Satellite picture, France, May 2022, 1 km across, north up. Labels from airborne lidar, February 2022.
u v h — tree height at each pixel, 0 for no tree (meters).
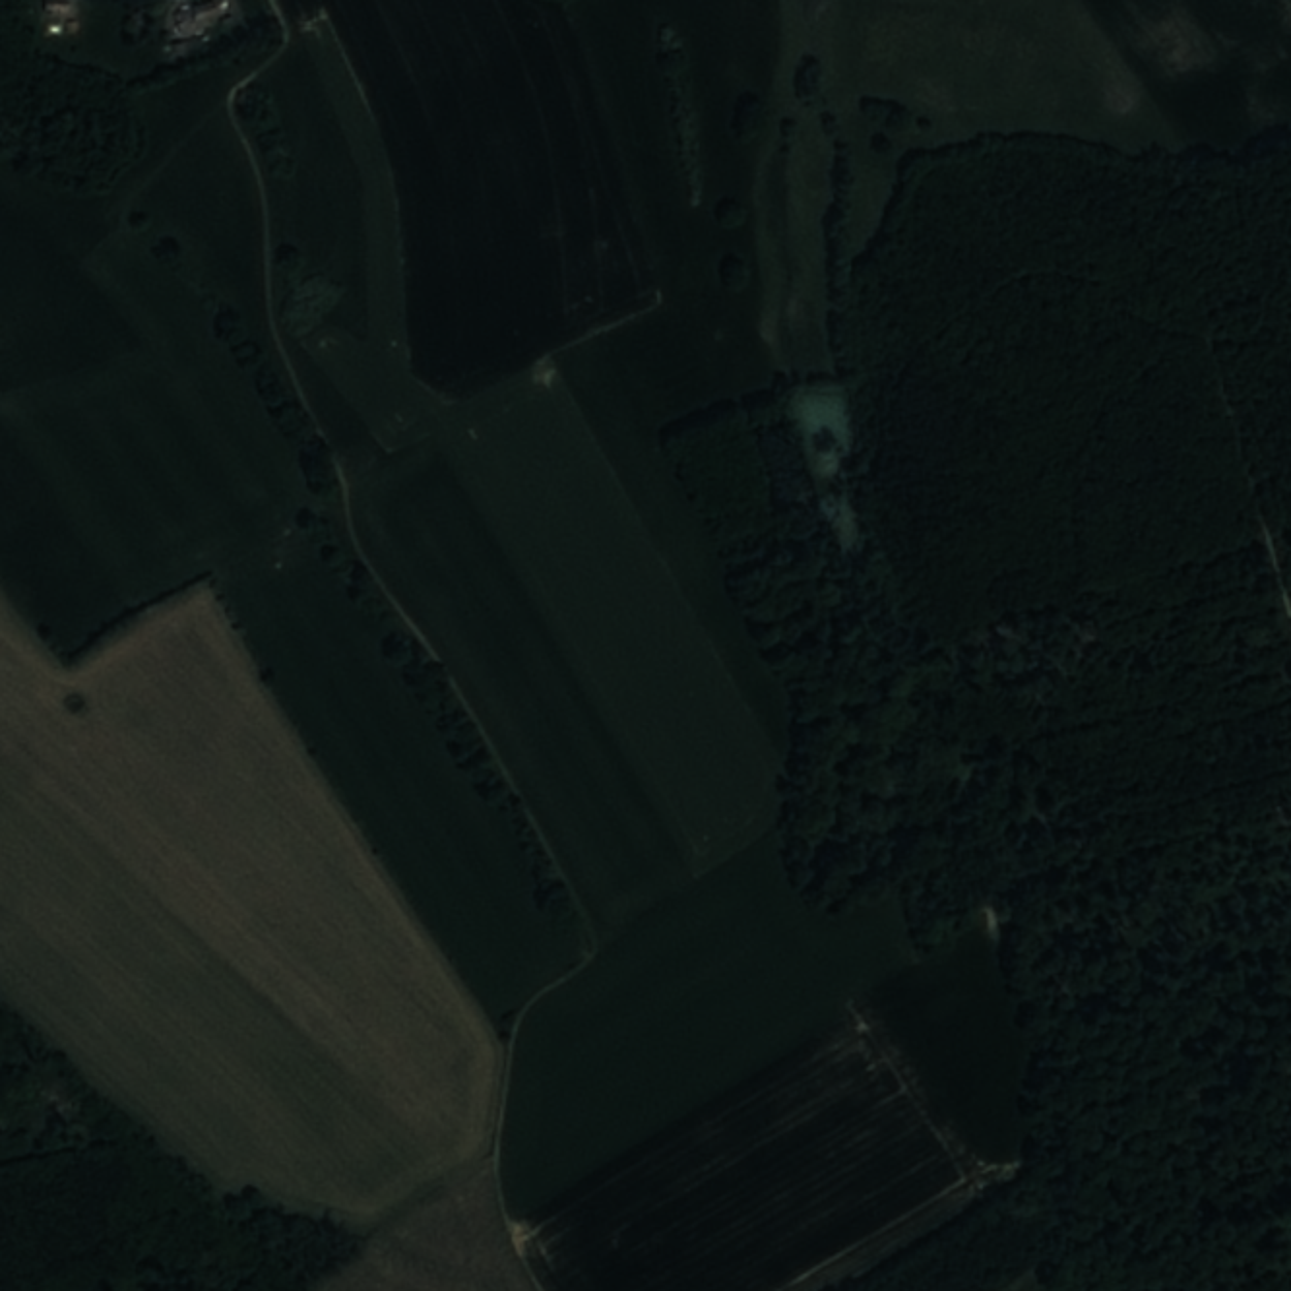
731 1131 0
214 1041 0
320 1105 0
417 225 0
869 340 14
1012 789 18
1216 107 0
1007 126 0
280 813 0
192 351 0
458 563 0
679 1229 0
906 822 18
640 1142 0
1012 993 13
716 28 0
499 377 0
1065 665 28
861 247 0
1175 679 12
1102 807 17
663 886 0
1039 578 14
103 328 0
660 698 0
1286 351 12
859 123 0
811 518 17
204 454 0
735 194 0
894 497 16
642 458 0
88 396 0
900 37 0
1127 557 18
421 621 0
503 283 0
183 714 0
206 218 0
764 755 0
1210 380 15
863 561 17
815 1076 0
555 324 0
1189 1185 35
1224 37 0
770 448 20
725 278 16
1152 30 0
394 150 0
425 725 0
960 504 13
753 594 25
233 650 0
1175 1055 34
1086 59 0
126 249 0
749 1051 0
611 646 0
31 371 0
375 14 0
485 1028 0
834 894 25
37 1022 0
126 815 0
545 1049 0
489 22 0
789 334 0
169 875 0
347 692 0
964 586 12
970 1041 0
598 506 0
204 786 0
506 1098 0
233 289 0
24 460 0
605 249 0
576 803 0
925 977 0
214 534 0
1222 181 20
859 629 34
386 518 0
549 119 0
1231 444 12
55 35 0
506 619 0
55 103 11
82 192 15
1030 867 35
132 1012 0
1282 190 24
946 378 12
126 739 0
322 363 0
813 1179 0
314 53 0
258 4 0
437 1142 0
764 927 0
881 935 0
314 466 20
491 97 0
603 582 0
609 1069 0
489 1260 0
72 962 0
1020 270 9
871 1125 0
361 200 0
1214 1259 40
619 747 0
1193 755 9
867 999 0
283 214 0
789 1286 0
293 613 0
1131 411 17
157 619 0
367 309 0
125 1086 0
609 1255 0
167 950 0
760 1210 0
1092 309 14
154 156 0
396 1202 0
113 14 0
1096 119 0
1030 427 12
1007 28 0
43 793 0
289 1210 0
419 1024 0
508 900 0
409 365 0
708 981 0
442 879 0
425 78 0
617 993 0
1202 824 10
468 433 0
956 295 12
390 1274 0
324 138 0
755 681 0
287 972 0
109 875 0
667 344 0
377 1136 0
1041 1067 13
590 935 0
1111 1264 33
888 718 33
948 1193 0
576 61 0
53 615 0
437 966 0
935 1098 0
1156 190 10
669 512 0
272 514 0
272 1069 0
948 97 0
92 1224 11
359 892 0
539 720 0
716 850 0
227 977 0
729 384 0
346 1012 0
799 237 0
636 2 0
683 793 0
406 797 0
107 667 0
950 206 11
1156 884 32
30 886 0
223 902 0
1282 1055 34
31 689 0
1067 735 13
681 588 0
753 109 21
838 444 13
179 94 0
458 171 0
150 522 0
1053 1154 21
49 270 0
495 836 0
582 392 0
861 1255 0
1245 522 13
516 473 0
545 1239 0
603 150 0
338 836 0
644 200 0
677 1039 0
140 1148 9
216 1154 0
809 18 0
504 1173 0
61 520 0
